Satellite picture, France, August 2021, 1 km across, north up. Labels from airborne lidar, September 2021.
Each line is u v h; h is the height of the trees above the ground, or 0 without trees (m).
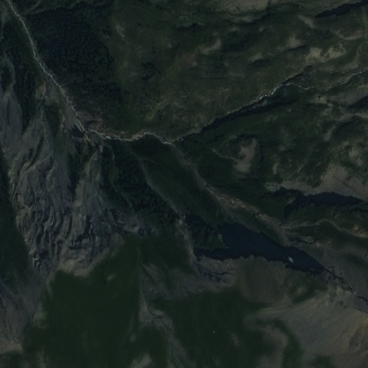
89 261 0
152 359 0
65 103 0
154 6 0
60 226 0
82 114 0
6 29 9
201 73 0
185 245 0
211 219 0
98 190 0
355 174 0
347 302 0
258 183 0
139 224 0
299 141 0
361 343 0
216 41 0
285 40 0
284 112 0
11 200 0
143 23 0
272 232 0
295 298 0
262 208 0
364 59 0
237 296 0
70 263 0
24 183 0
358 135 0
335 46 0
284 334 0
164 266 0
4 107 0
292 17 0
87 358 0
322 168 0
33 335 0
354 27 0
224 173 0
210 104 0
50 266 0
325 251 0
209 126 0
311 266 0
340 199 0
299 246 0
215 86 0
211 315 0
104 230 0
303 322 0
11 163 0
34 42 0
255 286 0
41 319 0
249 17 0
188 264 0
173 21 0
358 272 0
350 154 0
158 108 0
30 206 0
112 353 0
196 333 0
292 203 0
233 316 0
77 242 0
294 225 0
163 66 0
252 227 0
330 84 0
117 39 0
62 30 11
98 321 0
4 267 0
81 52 21
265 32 0
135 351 0
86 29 12
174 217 13
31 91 17
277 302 0
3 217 0
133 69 0
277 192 0
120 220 0
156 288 0
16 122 0
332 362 0
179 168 0
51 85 0
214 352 0
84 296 0
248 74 0
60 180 0
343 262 0
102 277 0
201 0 0
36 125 0
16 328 0
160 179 0
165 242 0
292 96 0
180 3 0
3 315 0
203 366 0
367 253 0
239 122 0
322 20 0
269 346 0
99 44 8
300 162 0
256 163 0
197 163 0
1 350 0
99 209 0
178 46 0
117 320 0
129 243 0
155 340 0
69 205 0
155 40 0
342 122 0
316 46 0
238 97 0
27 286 0
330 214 0
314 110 0
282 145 0
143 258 0
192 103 0
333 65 0
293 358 0
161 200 12
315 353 0
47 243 0
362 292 0
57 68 13
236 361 0
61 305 0
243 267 0
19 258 0
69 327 0
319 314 0
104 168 7
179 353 0
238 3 0
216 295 0
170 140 0
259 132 0
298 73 0
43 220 0
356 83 0
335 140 0
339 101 0
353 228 0
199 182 0
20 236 0
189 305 0
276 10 0
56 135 6
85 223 0
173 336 0
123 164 13
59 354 0
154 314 0
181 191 0
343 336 0
